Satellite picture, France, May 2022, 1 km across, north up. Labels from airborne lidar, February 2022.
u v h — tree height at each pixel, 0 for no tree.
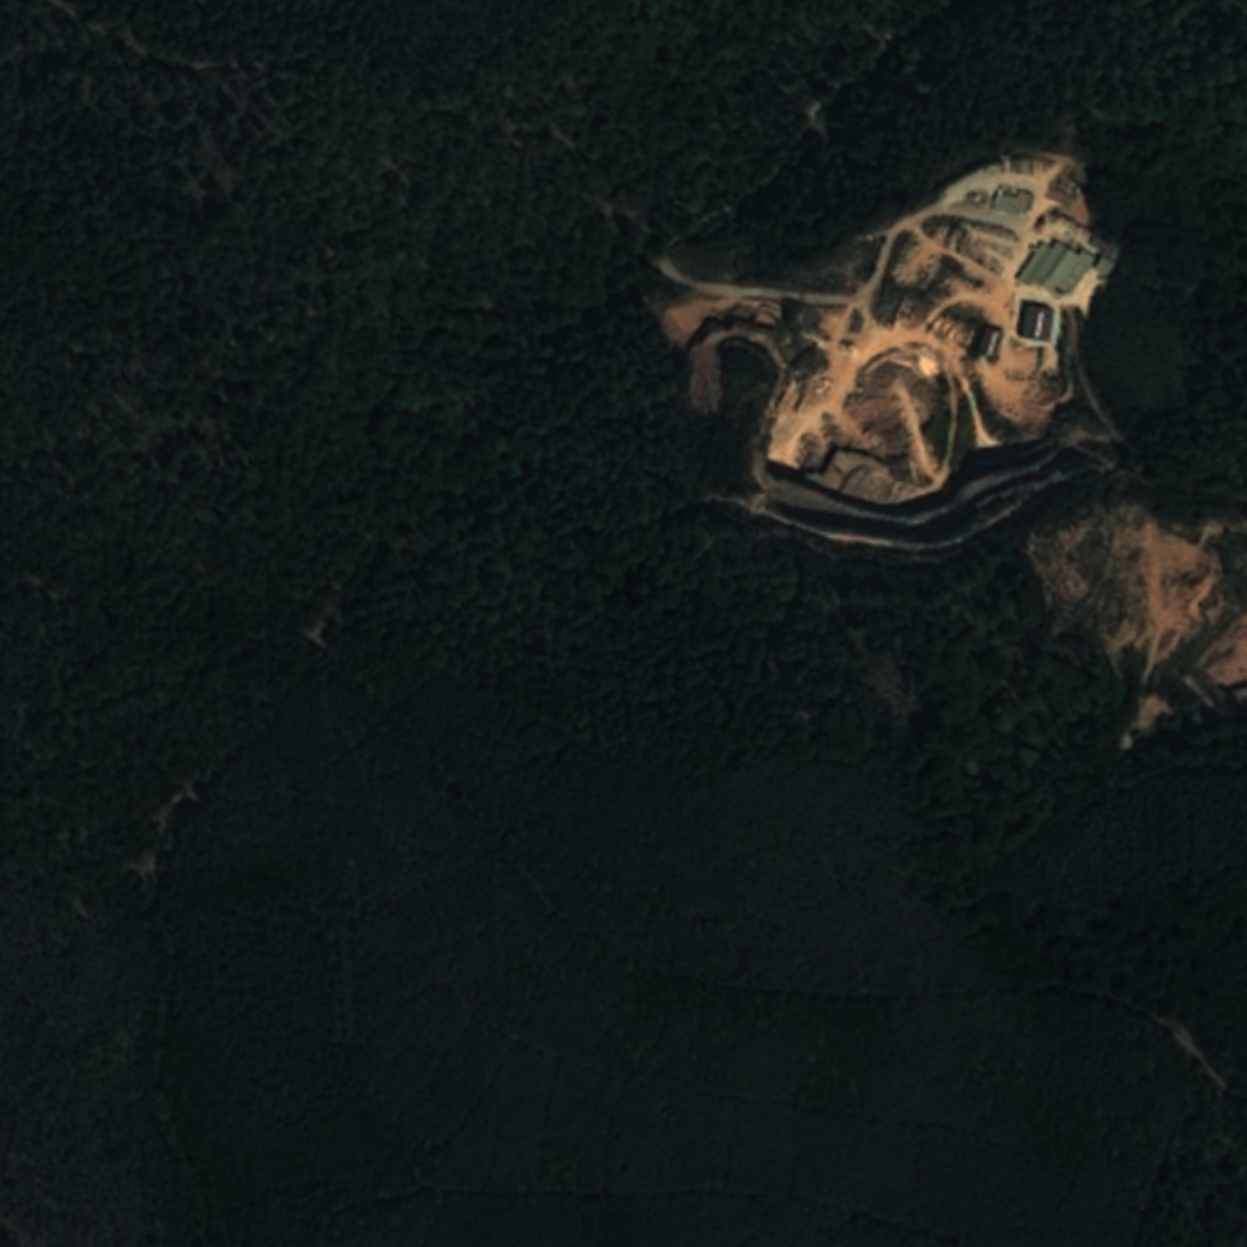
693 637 32
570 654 28
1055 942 22
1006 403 0
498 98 27
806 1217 19
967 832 11
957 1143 17
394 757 18
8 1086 19
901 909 20
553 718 25
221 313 31
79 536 24
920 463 0
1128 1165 18
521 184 23
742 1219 15
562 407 34
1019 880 17
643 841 13
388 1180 18
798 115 30
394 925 17
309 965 24
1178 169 17
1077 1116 15
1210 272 20
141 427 23
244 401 28
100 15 29
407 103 25
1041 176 0
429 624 23
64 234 30
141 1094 27
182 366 30
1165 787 20
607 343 35
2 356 27
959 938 17
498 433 35
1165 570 0
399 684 18
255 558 25
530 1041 14
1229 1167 23
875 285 0
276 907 24
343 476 27
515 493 20
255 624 18
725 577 19
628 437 30
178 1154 23
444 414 35
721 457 6
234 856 13
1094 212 13
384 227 24
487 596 31
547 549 25
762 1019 11
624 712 25
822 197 34
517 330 40
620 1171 16
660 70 31
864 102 36
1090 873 22
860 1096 12
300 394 22
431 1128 15
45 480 21
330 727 14
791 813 20
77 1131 19
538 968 13
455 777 16
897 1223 14
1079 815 21
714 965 18
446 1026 14
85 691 22
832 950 19
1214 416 31
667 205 27
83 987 20
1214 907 14
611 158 24
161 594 24
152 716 19
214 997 23
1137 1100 16
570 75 25
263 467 25
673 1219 14
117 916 24
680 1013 16
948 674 30
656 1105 14
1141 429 25
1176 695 7
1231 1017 13
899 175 22
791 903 20
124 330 26
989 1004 16
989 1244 18
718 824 17
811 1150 17
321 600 23
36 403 25
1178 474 18
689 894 20
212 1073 17
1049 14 23
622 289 11
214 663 24
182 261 28
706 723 29
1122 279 15
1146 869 21
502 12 23
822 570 7
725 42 29
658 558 29
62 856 26
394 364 29
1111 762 24
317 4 23
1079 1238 18
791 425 0
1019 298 0
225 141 30
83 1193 20
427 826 17
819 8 29
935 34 37
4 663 24
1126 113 28
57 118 6
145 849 25
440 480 36
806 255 6
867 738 16
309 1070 20
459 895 18
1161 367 22
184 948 25
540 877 18
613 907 20
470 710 18
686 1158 17
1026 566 8
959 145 30
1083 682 27
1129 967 15
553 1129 18
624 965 15
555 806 18
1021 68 32
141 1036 27
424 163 23
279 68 27
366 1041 17
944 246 0
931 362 0
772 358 8
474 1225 14
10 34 30
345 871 15
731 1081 16
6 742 26
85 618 24
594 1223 16
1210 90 22
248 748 16
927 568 6
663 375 31
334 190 23
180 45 28
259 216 29
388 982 14
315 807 15
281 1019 20
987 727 26
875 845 21
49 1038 21
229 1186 25
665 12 29
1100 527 0
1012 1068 17
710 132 28
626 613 27
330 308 25
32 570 21
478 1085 14
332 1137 16
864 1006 15
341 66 25
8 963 21
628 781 17
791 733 26
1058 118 28
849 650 31
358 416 28
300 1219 19
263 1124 20
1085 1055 15
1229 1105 28
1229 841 19
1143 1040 18
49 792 24
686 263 0
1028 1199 19
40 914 22
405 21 28
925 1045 16
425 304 29
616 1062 11
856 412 0
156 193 9
